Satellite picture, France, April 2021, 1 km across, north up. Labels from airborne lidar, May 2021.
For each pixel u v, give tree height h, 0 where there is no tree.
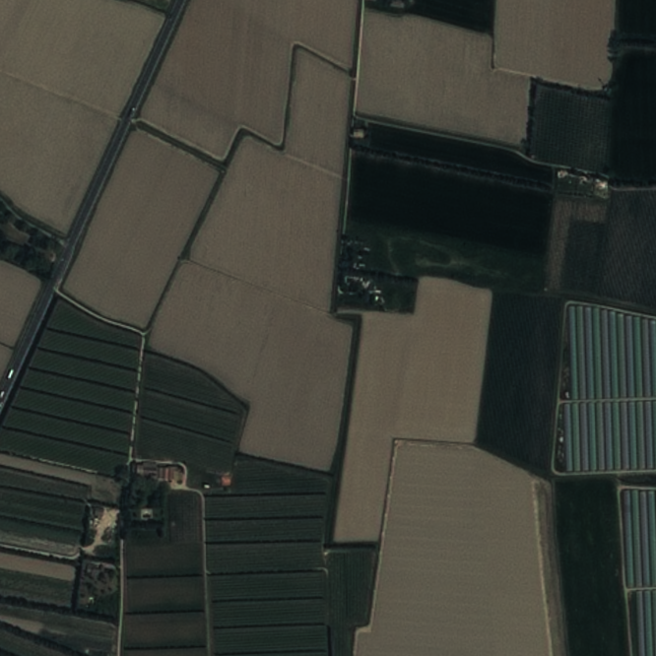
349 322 0
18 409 9
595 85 0
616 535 0
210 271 0
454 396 0
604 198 0
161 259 0
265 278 0
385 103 0
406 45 0
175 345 0
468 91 0
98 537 0
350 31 0
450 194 0
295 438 0
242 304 0
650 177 0
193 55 0
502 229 0
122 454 8
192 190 0
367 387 0
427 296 0
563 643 0
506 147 0
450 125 0
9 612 0
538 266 0
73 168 0
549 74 0
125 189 0
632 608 0
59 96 0
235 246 0
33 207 0
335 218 0
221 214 0
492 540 0
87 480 0
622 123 0
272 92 0
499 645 0
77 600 14
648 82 0
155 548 0
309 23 0
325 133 0
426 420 0
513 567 0
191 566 0
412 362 0
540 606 0
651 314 0
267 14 0
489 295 0
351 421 0
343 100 0
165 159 0
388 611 0
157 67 0
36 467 0
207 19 0
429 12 0
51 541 0
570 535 0
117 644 0
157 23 0
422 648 0
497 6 0
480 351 0
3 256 7
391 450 0
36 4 0
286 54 0
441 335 0
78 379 9
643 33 0
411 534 0
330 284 0
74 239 0
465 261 0
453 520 0
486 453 0
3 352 0
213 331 0
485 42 0
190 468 0
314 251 0
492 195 0
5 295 0
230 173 0
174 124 0
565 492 0
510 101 0
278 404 0
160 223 0
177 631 0
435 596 0
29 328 0
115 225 0
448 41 0
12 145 0
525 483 0
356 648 0
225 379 0
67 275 0
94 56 0
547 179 0
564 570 0
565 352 0
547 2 0
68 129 0
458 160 0
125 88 0
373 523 0
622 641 0
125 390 9
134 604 0
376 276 13
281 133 0
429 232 0
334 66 0
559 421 0
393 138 0
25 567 0
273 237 0
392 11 0
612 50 13
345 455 0
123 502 8
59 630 0
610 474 0
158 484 17
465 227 0
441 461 0
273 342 0
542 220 0
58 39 0
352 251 13
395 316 0
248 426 0
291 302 0
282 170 0
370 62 0
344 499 0
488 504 0
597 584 0
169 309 0
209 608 0
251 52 0
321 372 0
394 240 0
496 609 0
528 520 0
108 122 0
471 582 0
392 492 0
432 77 0
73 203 0
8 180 0
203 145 0
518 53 0
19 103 0
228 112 0
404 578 0
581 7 0
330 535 0
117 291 0
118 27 0
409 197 0
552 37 0
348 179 0
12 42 0
